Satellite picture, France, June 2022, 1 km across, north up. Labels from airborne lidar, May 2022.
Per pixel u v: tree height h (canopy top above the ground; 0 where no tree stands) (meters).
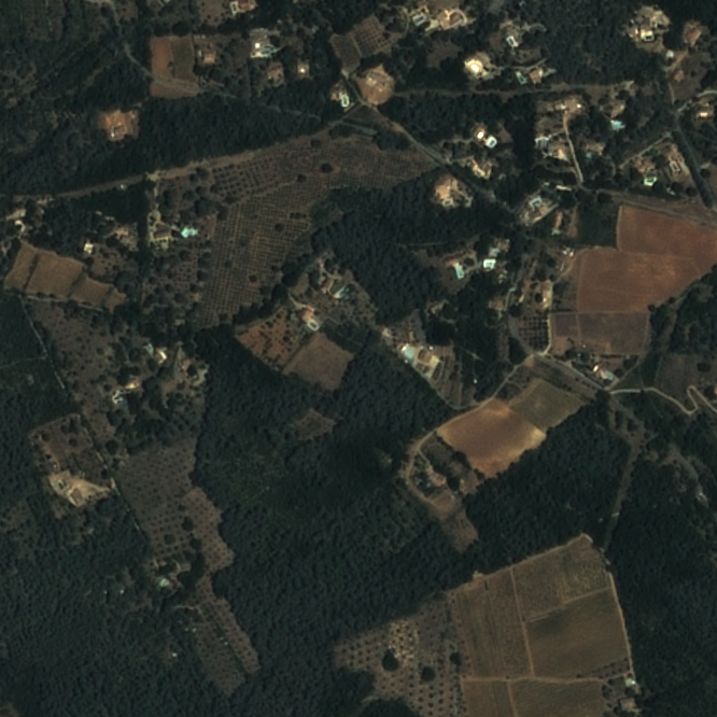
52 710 15
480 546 20
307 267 13
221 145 17
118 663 15
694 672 10
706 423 13
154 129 20
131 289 20
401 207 22
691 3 12
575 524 9
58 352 19
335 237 20
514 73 15
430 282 19
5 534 11
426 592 8
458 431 0
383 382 17
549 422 0
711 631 19
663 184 10
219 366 10
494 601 0
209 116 12
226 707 19
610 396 13
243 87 17
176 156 8
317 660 17
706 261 0
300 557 12
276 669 15
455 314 8
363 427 19
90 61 10
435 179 6
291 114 16
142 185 12
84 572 8
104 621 16
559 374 0
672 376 0
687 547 15
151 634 8
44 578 18
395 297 17
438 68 13
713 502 11
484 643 0
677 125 18
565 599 0
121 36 12
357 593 20
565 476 12
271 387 12
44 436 9
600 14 18
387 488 8
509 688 0
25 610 15
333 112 14
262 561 19
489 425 0
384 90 0
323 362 0
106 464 7
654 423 9
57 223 18
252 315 15
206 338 16
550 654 0
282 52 7
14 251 6
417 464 8
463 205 6
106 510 20
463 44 16
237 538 20
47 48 17
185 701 8
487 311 11
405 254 21
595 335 0
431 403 22
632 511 15
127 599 16
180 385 6
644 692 7
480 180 6
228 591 16
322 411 20
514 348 13
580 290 0
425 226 10
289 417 19
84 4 9
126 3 13
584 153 8
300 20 13
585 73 17
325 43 14
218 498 21
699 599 19
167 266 21
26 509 6
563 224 6
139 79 14
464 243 8
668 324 9
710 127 5
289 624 19
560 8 21
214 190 9
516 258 12
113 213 13
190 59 0
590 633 0
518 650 0
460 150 14
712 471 7
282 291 20
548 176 13
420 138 6
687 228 0
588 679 0
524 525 18
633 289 0
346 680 11
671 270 0
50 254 0
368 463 14
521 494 14
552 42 18
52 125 38
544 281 8
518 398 0
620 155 21
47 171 21
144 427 14
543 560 0
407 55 9
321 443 17
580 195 14
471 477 0
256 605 21
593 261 0
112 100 16
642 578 15
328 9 7
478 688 0
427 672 15
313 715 20
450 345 11
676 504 11
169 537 10
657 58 15
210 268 19
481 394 7
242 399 18
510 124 15
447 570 12
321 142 10
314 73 10
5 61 19
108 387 10
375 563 13
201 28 8
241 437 5
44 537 11
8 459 19
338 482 9
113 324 9
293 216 8
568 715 0
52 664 13
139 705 19
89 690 14
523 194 14
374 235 15
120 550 17
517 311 14
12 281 0
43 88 8
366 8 13
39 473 9
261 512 18
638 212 0
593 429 14
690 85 0
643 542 12
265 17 16
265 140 10
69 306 11
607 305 0
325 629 19
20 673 13
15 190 20
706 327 17
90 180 13
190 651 10
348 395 21
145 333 13
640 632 7
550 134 8
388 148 17
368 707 6
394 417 20
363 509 6
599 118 19
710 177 10
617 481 10
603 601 0
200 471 14
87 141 21
